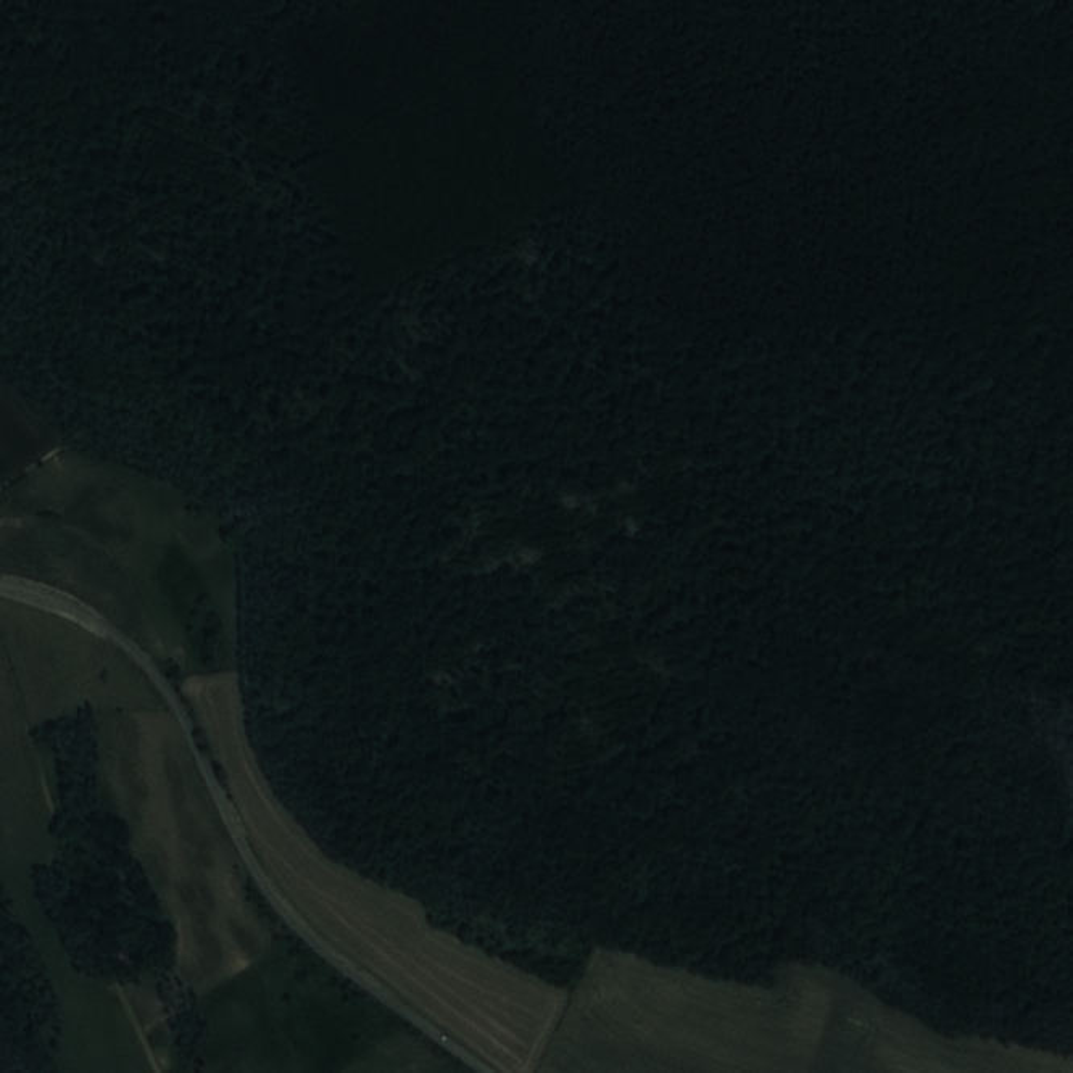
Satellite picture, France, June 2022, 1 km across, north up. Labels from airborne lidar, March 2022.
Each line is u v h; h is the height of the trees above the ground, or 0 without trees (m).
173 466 15
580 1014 0
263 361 16
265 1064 0
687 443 15
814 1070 0
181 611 0
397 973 0
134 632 0
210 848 0
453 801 17
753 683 15
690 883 20
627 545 16
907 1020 0
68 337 15
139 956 20
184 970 0
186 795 0
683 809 18
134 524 0
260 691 15
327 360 21
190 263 16
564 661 15
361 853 18
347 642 18
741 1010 0
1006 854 21
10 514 0
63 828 17
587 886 20
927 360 18
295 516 17
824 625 20
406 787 16
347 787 9
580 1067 0
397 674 14
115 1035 0
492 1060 0
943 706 20
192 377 17
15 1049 19
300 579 20
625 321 21
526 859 21
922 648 22
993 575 21
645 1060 0
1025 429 22
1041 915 20
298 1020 0
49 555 0
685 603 18
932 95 19
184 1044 10
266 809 0
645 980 0
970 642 20
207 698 0
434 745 15
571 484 15
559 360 15
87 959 18
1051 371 21
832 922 23
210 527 0
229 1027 0
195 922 0
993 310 20
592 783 19
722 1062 0
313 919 0
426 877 16
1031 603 18
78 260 13
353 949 0
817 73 19
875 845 20
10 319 14
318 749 18
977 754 15
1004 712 21
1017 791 19
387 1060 0
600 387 21
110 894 23
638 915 18
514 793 14
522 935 10
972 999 19
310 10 21
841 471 19
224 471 8
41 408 11
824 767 18
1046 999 17
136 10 14
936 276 16
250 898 6
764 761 17
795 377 20
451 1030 0
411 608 15
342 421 19
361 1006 7
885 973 21
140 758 0
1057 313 20
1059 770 15
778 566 16
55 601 0
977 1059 0
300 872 0
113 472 0
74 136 18
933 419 18
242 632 11
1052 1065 0
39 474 0
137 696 0
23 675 0
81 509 0
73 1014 0
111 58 17
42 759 0
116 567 0
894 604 18
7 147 18
